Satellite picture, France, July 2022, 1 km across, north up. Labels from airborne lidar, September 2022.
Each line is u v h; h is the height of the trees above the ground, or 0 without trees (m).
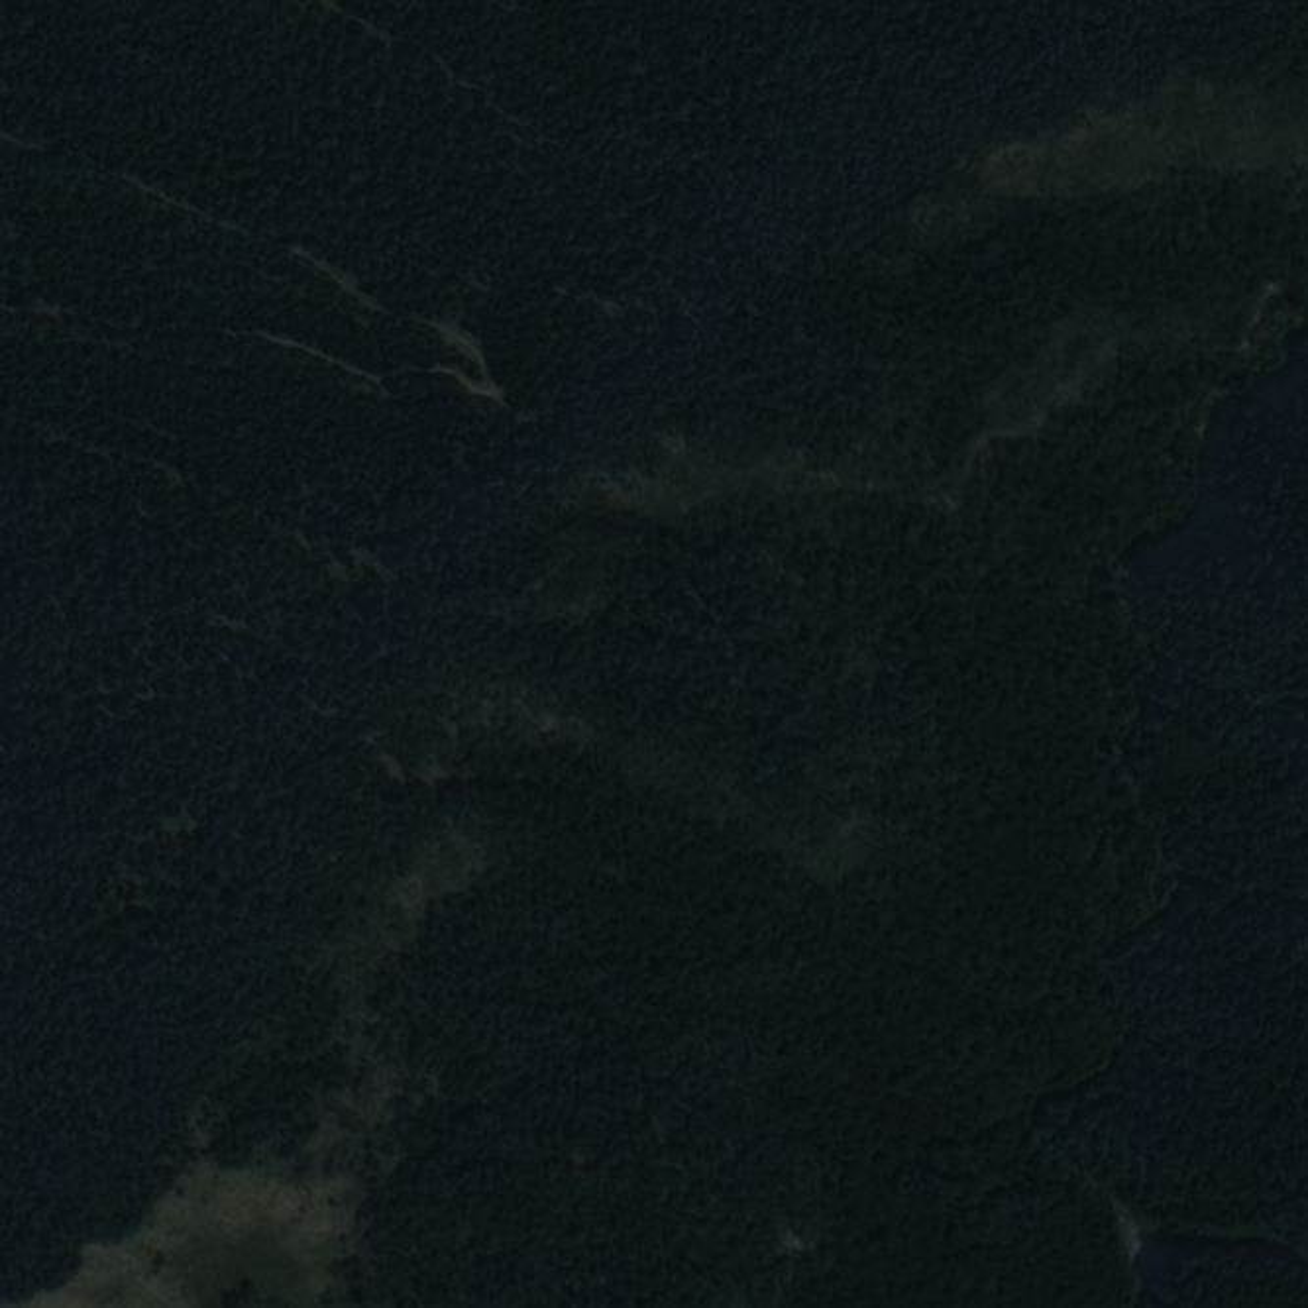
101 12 17
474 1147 12
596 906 27
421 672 12
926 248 9
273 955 12
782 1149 27
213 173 25
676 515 8
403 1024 15
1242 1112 34
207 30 15
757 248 12
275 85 11
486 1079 26
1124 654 29
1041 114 11
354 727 12
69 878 24
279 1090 13
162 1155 10
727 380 13
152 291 18
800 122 20
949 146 11
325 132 16
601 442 16
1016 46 16
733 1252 30
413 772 12
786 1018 34
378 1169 19
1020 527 13
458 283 7
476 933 32
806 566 20
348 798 11
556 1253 28
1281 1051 33
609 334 15
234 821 28
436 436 16
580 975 24
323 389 12
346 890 9
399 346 17
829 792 17
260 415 14
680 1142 28
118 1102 22
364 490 14
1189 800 23
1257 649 20
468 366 12
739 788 8
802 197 16
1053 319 23
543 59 16
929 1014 26
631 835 21
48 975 25
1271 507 28
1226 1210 27
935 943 25
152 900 10
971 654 23
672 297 23
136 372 10
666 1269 24
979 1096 7
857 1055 25
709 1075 21
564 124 15
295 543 18
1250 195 14
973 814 28
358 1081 8
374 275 14
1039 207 11
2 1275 11
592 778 21
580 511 11
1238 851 20
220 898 7
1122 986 21
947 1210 25
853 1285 29
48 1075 25
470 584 19
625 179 18
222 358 14
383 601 30
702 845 20
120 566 17
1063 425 15
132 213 20
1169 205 18
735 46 21
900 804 16
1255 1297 33
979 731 29
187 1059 19
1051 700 18
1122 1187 23
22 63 15
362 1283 14
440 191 17
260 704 11
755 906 28
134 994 26
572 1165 23
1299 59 16
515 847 15
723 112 12
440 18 15
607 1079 27
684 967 27
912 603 27
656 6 18
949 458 15
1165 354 16
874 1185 30
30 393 17
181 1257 0
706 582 31
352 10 15
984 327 21
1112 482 16
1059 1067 9
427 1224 16
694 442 14
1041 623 29
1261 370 21
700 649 29
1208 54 12
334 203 15
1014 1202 25
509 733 7
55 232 12
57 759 24
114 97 15
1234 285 18
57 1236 8
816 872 9
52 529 28
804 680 29
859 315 22
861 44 17
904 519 21
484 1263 23
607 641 25
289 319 17
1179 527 23
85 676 21
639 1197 10
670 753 6
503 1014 23
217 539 13
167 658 23
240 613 18
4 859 26
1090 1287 20
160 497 15
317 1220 0
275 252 9
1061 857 22
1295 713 23
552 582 21
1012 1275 8
